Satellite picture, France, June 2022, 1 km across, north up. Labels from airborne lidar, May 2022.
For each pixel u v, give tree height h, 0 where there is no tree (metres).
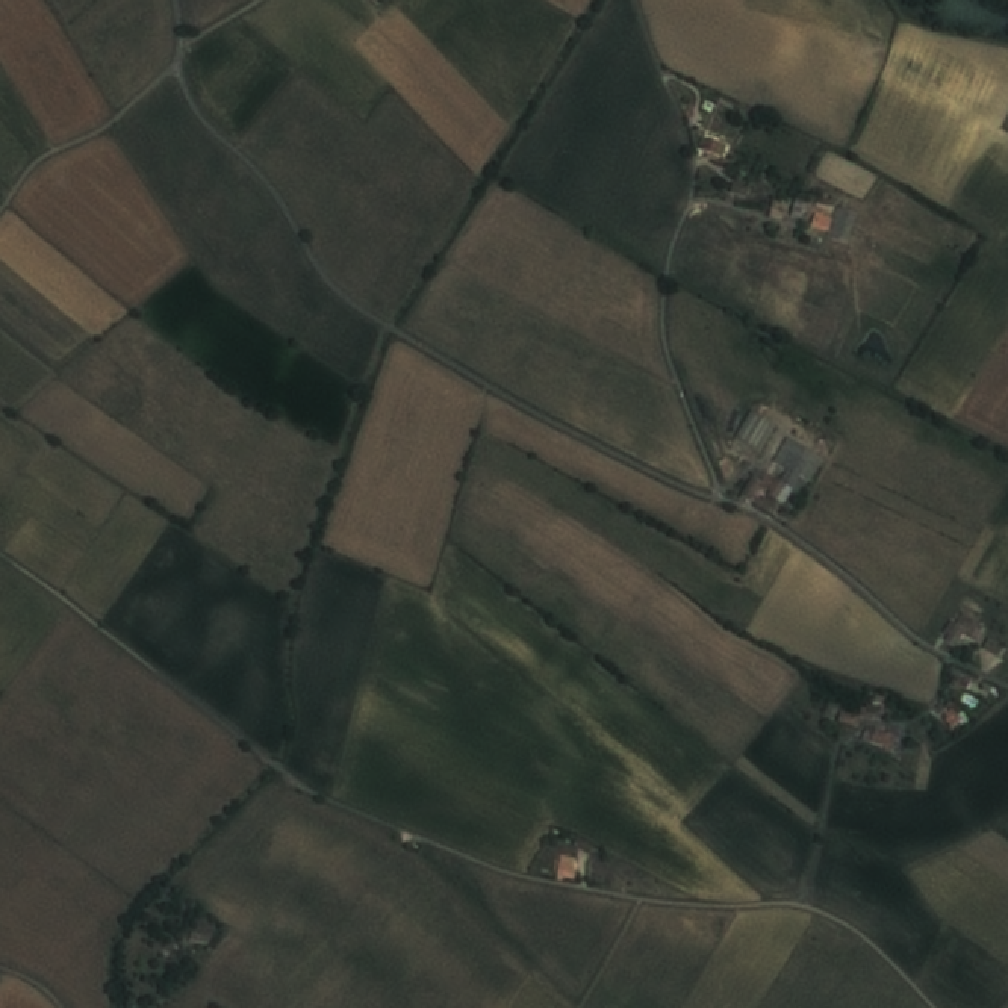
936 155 0
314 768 0
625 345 0
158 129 0
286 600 11
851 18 0
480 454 0
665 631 0
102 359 0
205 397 0
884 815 0
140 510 0
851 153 11
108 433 0
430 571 0
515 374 0
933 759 0
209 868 0
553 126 0
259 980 0
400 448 0
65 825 0
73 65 0
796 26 0
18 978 0
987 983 0
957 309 0
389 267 0
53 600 0
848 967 0
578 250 0
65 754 0
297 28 0
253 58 0
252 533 0
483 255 0
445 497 0
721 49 0
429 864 0
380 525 0
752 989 0
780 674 0
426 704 0
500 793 0
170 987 11
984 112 0
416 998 0
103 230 0
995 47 0
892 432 0
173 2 0
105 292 0
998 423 0
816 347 0
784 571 0
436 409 0
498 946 0
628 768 0
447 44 0
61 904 0
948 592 0
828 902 0
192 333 0
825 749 0
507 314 0
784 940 0
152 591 0
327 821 0
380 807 0
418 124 0
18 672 0
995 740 0
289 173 0
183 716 0
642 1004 0
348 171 0
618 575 0
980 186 0
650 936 0
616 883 0
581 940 0
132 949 0
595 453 0
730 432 0
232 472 0
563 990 0
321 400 0
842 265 0
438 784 0
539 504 0
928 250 0
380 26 0
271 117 0
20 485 0
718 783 0
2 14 0
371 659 0
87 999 0
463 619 0
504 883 0
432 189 0
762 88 0
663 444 0
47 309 0
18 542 0
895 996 0
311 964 0
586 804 0
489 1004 0
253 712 0
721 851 0
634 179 0
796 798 0
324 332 0
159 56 0
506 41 0
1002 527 0
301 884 0
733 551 0
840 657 0
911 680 0
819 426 0
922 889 0
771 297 0
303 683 0
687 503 0
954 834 0
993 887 0
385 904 0
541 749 0
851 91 0
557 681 0
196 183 0
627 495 0
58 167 0
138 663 0
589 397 0
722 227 0
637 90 0
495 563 0
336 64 0
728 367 0
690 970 0
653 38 0
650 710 0
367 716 0
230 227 0
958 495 0
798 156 0
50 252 0
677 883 0
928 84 0
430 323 0
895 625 0
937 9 14
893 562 0
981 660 0
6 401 0
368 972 0
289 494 0
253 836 0
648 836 0
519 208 0
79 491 0
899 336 0
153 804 0
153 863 0
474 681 0
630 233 0
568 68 0
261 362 0
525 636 0
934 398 0
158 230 0
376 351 0
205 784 0
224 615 0
